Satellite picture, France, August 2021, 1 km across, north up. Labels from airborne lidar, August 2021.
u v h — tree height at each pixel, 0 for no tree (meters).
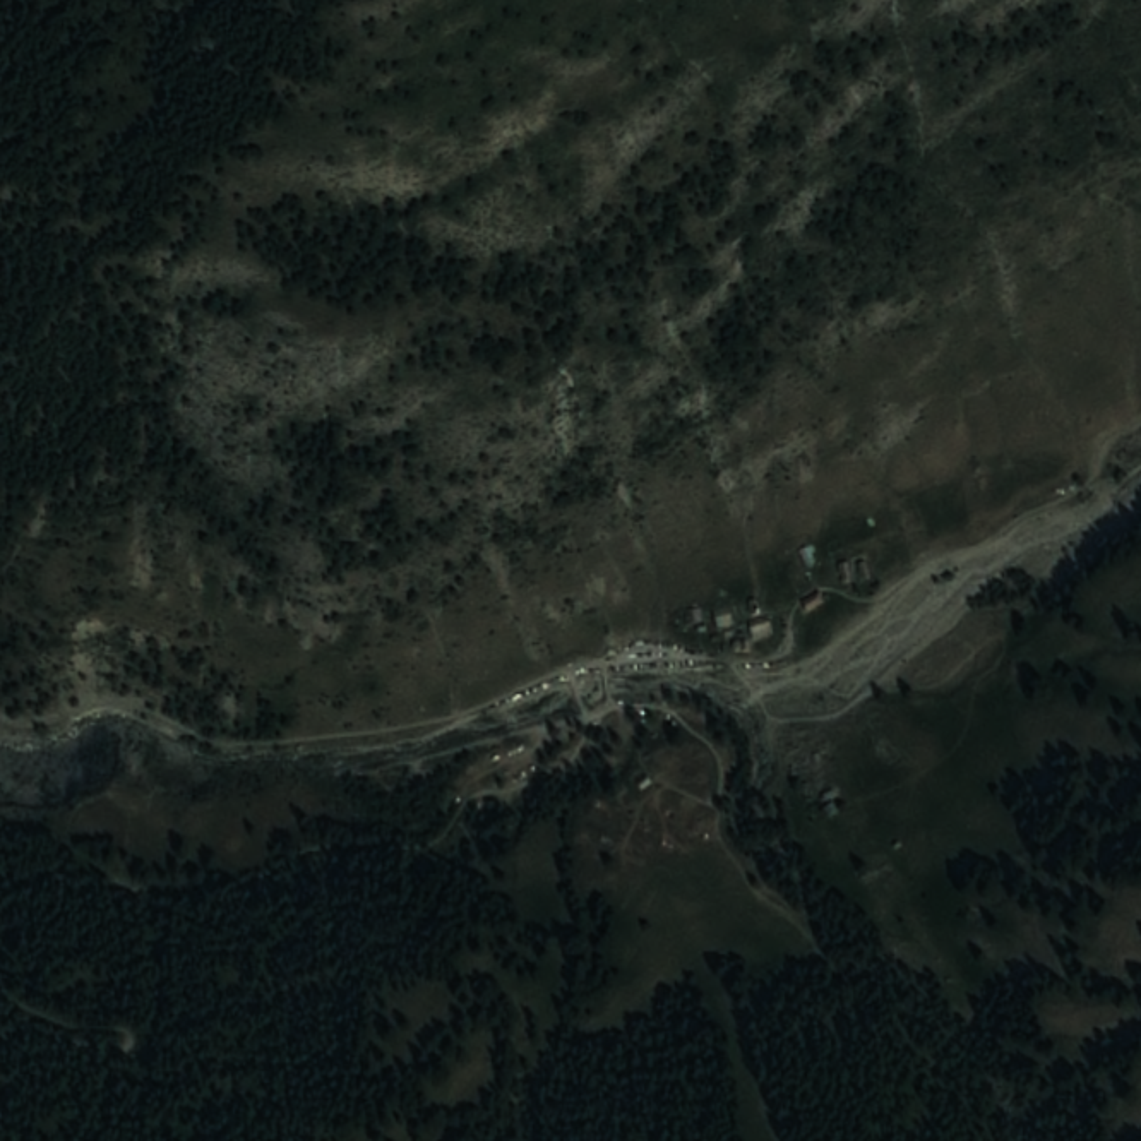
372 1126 25
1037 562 0
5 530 7
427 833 6
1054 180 0
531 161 0
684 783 0
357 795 10
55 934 16
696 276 13
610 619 0
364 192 0
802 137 11
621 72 0
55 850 25
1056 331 0
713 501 0
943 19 0
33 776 0
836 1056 22
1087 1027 0
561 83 0
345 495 12
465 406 0
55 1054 17
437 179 0
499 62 0
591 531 0
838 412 0
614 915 12
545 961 25
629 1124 14
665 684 0
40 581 0
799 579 0
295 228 12
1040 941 0
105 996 9
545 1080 10
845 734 0
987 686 0
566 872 20
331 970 18
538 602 0
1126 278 0
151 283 17
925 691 0
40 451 18
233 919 14
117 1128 14
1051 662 0
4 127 19
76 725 0
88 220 21
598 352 0
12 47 17
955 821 0
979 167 0
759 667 0
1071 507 0
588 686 0
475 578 0
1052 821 26
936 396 0
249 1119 17
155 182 18
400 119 0
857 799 0
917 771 0
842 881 0
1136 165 0
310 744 0
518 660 0
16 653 10
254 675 0
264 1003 14
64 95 10
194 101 15
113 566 0
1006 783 0
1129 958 0
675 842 0
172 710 10
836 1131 21
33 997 13
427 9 0
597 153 0
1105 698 0
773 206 13
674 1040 10
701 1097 17
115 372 17
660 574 0
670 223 18
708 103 0
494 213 0
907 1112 11
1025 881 24
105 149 9
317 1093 17
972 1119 22
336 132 0
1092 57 0
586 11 0
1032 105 0
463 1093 0
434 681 0
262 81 8
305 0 11
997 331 0
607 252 21
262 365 0
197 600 0
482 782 0
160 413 17
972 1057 19
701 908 0
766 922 0
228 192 0
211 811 0
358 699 0
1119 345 0
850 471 0
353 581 0
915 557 0
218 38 12
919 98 0
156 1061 19
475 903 17
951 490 0
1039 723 0
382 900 18
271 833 0
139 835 0
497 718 0
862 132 0
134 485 7
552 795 19
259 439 0
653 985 0
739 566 0
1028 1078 22
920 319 0
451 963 14
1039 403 0
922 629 0
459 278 15
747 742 7
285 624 12
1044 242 0
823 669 0
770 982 0
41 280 23
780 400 0
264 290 0
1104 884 11
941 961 0
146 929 22
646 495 0
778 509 0
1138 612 0
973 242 0
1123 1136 0
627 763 0
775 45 0
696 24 0
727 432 0
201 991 12
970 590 0
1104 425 0
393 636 0
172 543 0
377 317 0
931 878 0
